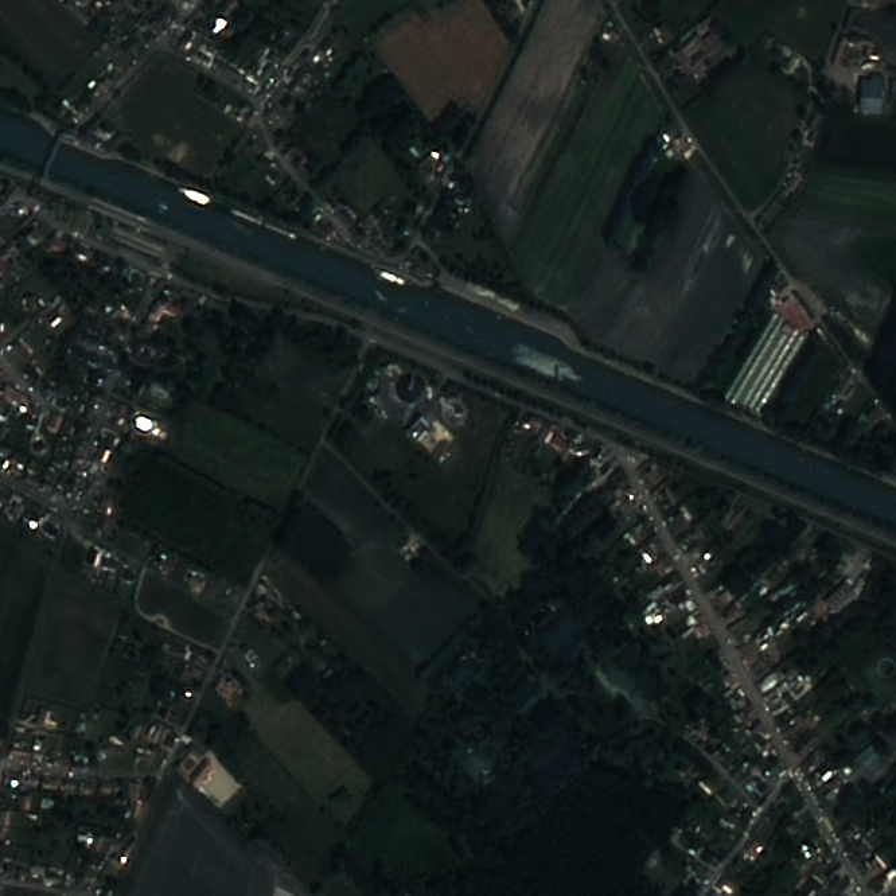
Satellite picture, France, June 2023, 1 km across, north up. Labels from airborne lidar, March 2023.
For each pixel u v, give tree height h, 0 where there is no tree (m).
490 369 0
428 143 10
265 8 14
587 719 0
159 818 0
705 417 0
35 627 0
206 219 0
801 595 7
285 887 0
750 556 10
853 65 0
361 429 0
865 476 0
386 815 0
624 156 0
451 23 0
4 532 0
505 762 19
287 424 0
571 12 0
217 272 0
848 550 0
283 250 0
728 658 0
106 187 0
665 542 0
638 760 11
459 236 0
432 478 0
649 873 0
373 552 0
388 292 0
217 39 10
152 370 12
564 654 17
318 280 0
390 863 0
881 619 15
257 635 0
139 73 0
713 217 0
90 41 0
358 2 0
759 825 0
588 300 0
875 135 0
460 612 0
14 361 0
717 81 18
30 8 0
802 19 0
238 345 15
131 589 0
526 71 0
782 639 0
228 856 0
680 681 0
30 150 0
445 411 0
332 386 0
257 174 0
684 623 0
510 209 0
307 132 0
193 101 0
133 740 9
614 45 0
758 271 0
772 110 0
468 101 0
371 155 0
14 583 0
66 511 0
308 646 8
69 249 8
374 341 0
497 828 22
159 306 0
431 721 11
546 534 17
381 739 30
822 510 0
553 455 0
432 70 0
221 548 0
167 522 0
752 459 0
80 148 0
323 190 0
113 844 0
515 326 0
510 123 0
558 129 0
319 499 0
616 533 0
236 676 11
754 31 0
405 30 0
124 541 0
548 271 0
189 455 0
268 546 0
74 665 0
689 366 0
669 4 0
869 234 0
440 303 0
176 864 0
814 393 0
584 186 0
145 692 0
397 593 0
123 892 0
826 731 0
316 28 0
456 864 0
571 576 30
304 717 0
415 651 0
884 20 0
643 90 0
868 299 0
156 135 0
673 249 0
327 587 0
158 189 0
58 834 0
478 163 0
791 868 0
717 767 0
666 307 0
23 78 0
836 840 0
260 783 0
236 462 0
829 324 8
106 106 0
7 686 0
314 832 0
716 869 0
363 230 8
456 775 17
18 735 0
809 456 0
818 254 0
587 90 0
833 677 7
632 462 0
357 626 0
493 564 0
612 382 0
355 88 0
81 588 0
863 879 0
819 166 0
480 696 33
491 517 0
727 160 0
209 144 0
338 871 19
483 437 0
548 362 0
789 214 0
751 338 7
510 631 27
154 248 0
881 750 20
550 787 19
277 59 0
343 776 0
